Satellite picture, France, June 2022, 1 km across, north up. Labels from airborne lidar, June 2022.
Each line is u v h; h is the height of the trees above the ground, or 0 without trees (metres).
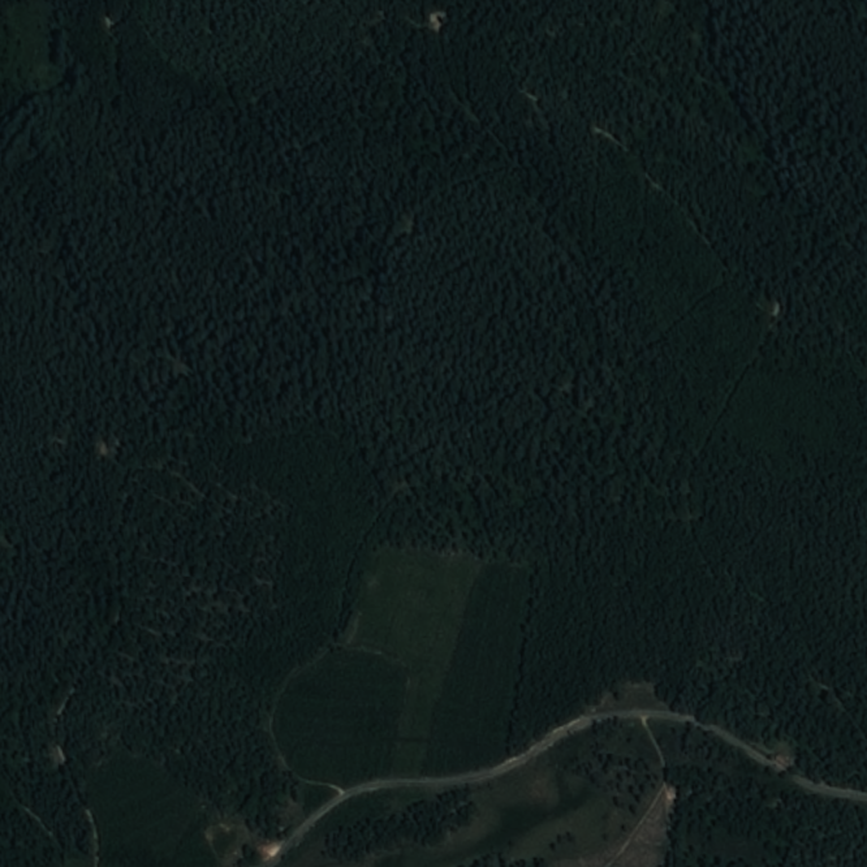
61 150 36
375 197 17
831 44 21
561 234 32
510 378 23
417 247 23
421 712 0
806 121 12
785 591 27
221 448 15
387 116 11
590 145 22
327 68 27
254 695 7
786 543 23
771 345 10
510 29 21
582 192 19
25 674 21
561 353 12
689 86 22
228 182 21
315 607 10
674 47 22
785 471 11
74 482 16
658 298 8
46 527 19
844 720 20
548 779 0
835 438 11
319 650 11
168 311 32
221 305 22
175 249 23
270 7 20
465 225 25
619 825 0
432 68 27
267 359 24
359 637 0
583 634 11
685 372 11
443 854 0
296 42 26
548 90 14
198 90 21
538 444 30
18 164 25
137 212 29
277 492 8
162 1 19
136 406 26
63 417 17
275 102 30
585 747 0
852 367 10
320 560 9
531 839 0
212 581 14
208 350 30
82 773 15
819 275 18
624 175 11
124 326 22
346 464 9
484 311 20
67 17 23
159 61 14
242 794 10
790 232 23
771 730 20
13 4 19
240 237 27
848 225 18
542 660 15
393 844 18
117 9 21
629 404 12
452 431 22
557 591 16
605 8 22
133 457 14
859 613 18
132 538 14
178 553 16
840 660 24
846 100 29
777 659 22
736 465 11
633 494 25
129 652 14
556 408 30
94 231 29
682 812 23
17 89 8
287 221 20
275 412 27
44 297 29
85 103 29
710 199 20
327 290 23
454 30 23
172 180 24
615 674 23
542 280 14
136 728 14
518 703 15
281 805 10
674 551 9
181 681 12
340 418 17
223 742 18
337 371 23
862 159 9
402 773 0
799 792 10
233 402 30
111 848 7
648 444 24
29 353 26
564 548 27
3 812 13
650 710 0
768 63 30
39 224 22
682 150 18
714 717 31
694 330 10
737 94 11
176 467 16
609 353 14
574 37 16
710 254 8
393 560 0
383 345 23
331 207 25
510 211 26
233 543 20
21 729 7
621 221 10
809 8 31
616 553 22
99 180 28
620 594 21
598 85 11
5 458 23
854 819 17
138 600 11
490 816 0
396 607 0
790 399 10
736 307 13
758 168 13
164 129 25
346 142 23
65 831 18
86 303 29
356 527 8
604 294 26
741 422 11
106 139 30
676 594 17
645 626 14
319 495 10
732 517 15
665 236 9
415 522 16
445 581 0
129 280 28
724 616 15
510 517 19
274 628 16
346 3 21
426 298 23
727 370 13
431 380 25
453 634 0
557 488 24
